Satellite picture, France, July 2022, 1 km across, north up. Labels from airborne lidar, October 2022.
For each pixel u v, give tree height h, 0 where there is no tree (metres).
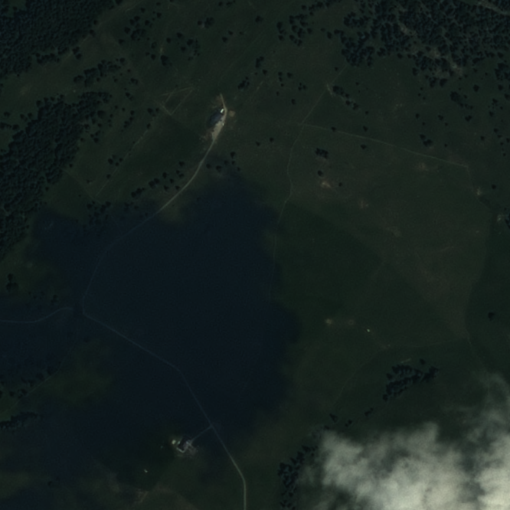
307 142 0
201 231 0
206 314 0
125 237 0
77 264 0
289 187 0
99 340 0
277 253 0
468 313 0
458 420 0
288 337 0
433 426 0
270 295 0
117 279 0
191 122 0
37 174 15
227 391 0
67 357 0
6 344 0
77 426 0
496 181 0
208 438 0
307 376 0
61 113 18
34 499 0
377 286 0
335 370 0
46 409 0
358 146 0
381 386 0
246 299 0
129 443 0
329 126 0
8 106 0
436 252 0
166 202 0
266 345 0
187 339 0
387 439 0
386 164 0
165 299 0
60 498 0
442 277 0
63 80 0
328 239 0
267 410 0
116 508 0
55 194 0
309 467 0
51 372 14
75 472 0
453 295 0
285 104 0
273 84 0
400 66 0
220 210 0
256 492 0
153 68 0
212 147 0
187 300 0
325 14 0
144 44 0
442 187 0
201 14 0
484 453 0
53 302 14
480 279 0
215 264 0
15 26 22
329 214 0
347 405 0
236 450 0
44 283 0
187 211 0
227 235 0
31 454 0
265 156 0
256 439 0
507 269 0
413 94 0
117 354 0
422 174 0
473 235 0
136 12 0
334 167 0
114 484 0
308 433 0
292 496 13
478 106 0
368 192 0
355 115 0
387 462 0
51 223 0
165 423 0
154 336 0
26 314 0
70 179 0
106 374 0
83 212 0
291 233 0
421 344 0
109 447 0
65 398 0
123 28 0
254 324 0
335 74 0
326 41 0
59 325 0
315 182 0
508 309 0
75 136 15
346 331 0
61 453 0
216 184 0
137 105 0
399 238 0
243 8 0
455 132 0
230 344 0
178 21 0
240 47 0
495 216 0
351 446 0
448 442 0
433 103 0
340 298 0
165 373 0
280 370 0
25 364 9
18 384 0
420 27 16
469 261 0
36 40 23
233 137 0
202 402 0
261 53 0
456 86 0
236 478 0
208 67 0
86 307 0
